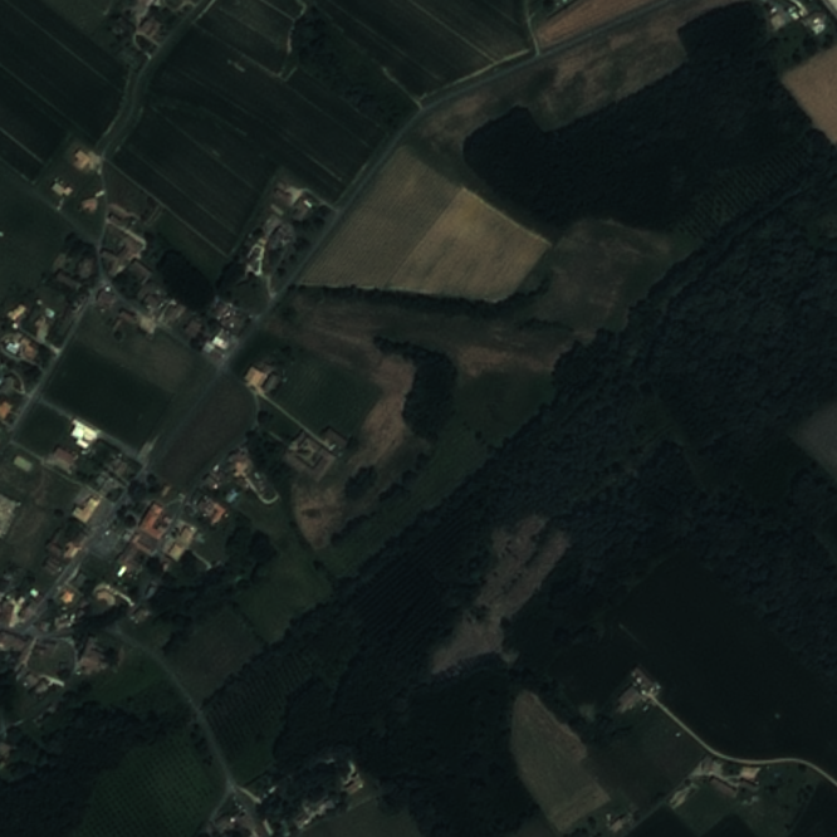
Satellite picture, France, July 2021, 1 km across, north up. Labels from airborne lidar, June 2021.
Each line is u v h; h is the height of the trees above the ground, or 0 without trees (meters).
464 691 11
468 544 15
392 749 22
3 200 0
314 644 10
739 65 28
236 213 0
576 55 0
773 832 0
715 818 0
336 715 18
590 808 0
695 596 0
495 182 18
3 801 22
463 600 22
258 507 0
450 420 14
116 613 13
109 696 0
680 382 25
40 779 18
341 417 0
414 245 0
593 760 0
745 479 8
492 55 0
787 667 0
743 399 22
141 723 22
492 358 0
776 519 18
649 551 20
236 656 0
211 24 0
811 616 20
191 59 0
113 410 0
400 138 0
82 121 0
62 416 0
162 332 0
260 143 0
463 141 0
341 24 0
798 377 16
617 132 15
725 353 20
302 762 20
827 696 0
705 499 20
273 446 9
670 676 0
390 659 27
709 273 17
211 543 0
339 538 16
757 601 17
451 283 0
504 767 18
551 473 20
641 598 0
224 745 11
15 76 0
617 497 22
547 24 0
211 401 0
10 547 0
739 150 18
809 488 23
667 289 20
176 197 0
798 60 11
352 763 23
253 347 0
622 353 20
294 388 0
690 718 0
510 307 20
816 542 22
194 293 14
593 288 0
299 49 10
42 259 0
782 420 22
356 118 0
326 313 0
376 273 0
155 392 0
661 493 17
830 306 21
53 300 0
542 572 6
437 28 0
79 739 25
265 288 0
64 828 16
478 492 17
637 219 19
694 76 16
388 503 16
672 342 22
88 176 0
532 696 0
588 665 0
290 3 0
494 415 0
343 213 0
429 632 20
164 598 22
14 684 13
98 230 0
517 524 23
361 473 10
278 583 0
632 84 0
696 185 17
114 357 0
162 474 0
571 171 20
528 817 17
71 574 0
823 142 21
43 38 0
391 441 0
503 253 0
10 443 0
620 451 21
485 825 6
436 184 0
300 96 0
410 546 20
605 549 18
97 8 0
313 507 0
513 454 19
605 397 10
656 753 0
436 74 0
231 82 0
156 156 0
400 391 0
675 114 14
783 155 12
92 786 22
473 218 0
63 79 0
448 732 9
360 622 16
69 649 0
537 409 0
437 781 11
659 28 0
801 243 23
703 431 30
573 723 16
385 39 0
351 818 0
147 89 0
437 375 20
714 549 19
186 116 0
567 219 20
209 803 0
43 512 0
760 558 18
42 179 0
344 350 0
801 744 0
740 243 20
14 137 0
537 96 0
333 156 0
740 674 0
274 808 16
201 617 23
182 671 0
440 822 13
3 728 0
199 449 0
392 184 0
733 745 0
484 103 0
